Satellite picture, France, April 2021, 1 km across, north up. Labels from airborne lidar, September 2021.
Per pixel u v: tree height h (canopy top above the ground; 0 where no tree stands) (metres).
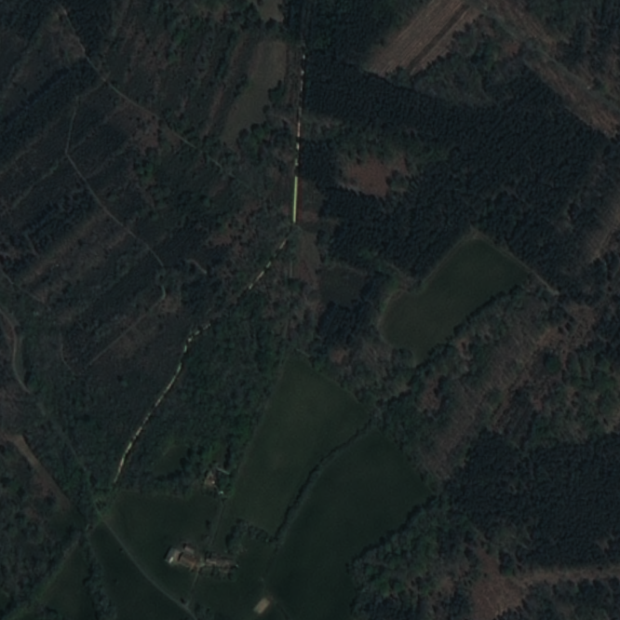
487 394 24
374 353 17
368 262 22
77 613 0
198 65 9
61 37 12
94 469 20
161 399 8
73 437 13
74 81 18
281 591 0
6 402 10
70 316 19
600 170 21
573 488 18
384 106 21
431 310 0
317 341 7
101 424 8
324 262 16
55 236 20
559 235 24
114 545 0
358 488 0
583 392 16
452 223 20
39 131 16
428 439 19
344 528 0
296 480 0
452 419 22
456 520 24
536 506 20
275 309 14
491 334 14
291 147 12
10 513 22
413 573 21
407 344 0
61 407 9
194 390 19
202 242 8
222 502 10
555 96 20
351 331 16
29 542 21
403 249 23
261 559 0
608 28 9
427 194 23
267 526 0
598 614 19
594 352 18
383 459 0
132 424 6
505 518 21
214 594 0
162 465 0
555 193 19
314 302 17
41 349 19
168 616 0
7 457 23
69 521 0
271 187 7
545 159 22
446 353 11
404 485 0
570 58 14
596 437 15
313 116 19
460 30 0
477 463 21
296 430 0
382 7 21
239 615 0
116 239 14
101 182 6
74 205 13
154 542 0
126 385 16
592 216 23
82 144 9
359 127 22
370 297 21
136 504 0
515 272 0
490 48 15
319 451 0
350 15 21
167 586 0
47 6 16
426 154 16
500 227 23
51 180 7
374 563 9
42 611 17
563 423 15
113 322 12
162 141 12
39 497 11
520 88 22
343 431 0
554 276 21
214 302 11
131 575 0
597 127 20
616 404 19
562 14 16
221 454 0
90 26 20
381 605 14
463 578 7
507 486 18
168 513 0
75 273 14
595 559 21
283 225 13
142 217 9
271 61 0
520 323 18
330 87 22
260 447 0
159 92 8
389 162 14
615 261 18
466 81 19
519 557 23
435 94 20
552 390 13
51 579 21
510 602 0
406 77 7
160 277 10
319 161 21
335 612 0
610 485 21
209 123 8
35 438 19
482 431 19
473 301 0
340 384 12
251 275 10
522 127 25
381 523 0
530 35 21
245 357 14
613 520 20
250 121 0
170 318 6
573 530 18
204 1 23
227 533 0
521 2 14
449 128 22
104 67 10
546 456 19
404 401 19
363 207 22
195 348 12
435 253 23
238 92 11
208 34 13
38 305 13
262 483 0
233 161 13
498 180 21
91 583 11
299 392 0
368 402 17
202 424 18
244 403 14
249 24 13
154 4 14
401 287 13
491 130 23
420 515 21
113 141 9
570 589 20
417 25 0
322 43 10
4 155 18
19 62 12
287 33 15
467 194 22
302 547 0
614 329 19
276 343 14
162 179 8
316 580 0
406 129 22
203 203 15
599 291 13
